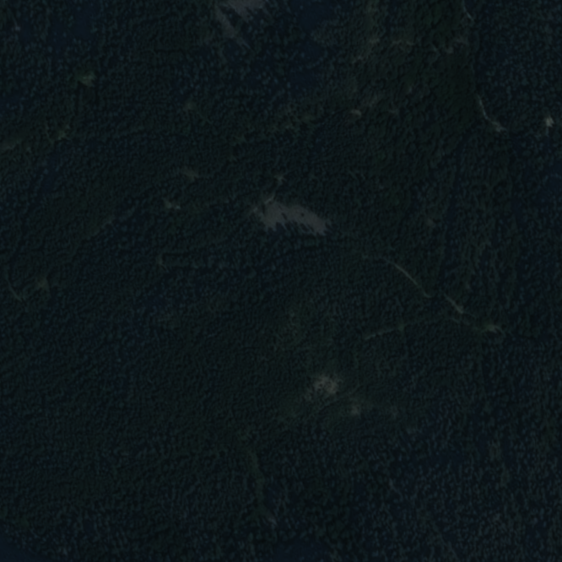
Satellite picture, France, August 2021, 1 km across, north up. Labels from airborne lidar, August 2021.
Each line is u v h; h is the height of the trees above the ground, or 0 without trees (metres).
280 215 0
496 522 31
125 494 12
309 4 31
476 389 27
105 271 19
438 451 11
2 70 30
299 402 9
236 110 20
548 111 24
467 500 8
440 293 14
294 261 21
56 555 19
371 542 21
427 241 34
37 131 14
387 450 12
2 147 10
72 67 11
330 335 8
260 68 12
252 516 21
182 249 23
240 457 13
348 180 26
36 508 17
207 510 18
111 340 14
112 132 27
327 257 15
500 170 19
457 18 10
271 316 16
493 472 9
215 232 18
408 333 8
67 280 18
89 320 15
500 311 12
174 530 20
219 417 8
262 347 15
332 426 6
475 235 15
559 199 7
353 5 28
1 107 34
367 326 10
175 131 10
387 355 18
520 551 23
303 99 15
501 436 17
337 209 18
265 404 13
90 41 17
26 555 23
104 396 17
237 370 15
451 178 35
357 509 20
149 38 25
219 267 27
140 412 18
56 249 22
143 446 8
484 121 18
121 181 20
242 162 19
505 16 17
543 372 29
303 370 6
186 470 13
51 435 11
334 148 19
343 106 10
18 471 16
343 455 9
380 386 10
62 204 13
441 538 7
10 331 24
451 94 26
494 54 37
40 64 15
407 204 19
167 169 21
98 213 15
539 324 20
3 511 22
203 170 16
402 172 17
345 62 30
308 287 14
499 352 12
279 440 11
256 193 14
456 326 14
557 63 23
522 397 23
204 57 14
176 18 23
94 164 27
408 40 11
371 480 15
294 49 19
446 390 9
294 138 12
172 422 8
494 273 30
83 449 13
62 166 29
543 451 8
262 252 14
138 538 14
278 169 24
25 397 18
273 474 17
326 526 21
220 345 15
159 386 17
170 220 28
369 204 27
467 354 17
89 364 14
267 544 26
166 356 23
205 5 9
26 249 26
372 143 26
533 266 19
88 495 12
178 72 31
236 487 12
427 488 32
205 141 25
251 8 0
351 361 13
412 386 23
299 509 22
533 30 16
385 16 32
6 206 13
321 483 6
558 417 23
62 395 14
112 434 14
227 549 14
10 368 12
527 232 29
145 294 15
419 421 9
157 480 8
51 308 13
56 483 18
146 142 22
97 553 30
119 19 11
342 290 15
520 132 7
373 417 10
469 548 22
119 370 13
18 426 21
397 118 29
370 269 12
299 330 9
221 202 8
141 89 28
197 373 13
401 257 14
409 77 30
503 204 20
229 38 7
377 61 17
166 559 22
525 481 10
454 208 14
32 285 19
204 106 7
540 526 11
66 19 11
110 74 31
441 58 36
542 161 36
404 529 9
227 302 12
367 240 14
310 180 24
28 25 9
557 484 27
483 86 24
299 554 13
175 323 11
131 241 22
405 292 14
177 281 26
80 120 23
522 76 35
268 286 17
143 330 18
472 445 10
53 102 22
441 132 28
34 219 21
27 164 20
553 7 23
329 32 13
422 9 35
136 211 16
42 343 18
